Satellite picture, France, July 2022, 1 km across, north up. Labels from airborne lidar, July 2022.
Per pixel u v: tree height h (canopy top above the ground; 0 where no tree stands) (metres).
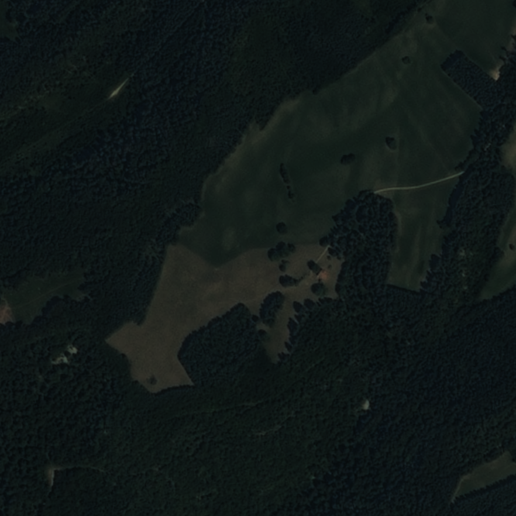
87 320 24
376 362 9
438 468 19
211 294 0
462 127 0
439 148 0
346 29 21
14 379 30
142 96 24
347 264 16
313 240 0
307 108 0
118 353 10
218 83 21
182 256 0
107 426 9
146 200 14
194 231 0
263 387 11
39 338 21
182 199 20
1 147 8
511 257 0
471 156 10
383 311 24
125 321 21
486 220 18
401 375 31
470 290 8
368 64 0
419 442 20
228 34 22
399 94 0
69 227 19
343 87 0
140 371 0
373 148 0
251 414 13
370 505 26
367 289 30
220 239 0
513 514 22
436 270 25
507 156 0
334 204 0
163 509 13
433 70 0
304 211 0
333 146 0
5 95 22
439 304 19
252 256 0
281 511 27
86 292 20
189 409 9
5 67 25
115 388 22
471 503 20
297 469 16
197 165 16
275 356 0
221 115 19
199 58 16
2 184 13
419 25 0
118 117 7
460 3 0
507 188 23
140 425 16
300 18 19
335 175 0
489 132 13
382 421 17
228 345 20
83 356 18
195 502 24
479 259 9
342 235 24
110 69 6
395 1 7
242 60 7
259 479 16
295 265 0
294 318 0
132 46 23
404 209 0
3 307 0
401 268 0
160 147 24
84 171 24
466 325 23
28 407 21
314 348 14
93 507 25
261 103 8
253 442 13
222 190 0
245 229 0
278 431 9
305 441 32
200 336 21
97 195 27
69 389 10
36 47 22
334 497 19
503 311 22
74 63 18
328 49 13
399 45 0
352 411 19
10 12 11
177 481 16
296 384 10
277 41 6
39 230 23
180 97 15
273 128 0
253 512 14
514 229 0
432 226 0
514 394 16
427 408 33
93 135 9
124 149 31
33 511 28
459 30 0
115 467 17
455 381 27
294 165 0
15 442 27
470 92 27
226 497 12
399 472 22
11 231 22
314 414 21
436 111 0
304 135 0
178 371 0
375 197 16
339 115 0
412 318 27
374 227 25
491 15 0
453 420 21
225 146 21
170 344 0
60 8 9
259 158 0
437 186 0
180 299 0
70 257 21
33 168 10
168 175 11
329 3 18
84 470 13
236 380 18
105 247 16
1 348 27
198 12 26
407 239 0
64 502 23
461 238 17
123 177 9
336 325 8
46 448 22
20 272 22
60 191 24
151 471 14
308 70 16
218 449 17
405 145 0
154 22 20
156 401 16
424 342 18
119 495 17
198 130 17
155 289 11
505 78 8
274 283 0
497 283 0
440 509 16
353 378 8
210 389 12
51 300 0
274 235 0
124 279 18
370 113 0
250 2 21
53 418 11
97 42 19
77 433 8
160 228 25
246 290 0
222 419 10
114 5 22
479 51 0
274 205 0
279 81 7
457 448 15
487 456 18
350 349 16
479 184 21
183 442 14
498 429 15
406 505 30
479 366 22
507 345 21
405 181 0
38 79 12
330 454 23
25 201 21
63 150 12
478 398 27
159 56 21
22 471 21
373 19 14
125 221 18
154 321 0
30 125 9
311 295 0
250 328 23
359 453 34
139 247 22
